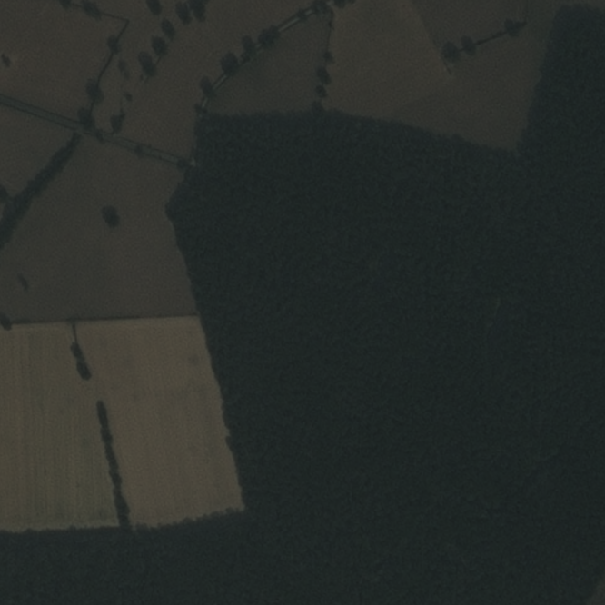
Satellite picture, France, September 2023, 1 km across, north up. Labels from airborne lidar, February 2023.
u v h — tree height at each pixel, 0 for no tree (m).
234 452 20
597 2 0
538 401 32
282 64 0
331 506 36
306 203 29
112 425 0
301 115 0
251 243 36
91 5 16
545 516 33
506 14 0
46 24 0
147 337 0
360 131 13
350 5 0
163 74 0
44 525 0
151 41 0
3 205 0
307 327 33
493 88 0
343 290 29
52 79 0
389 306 32
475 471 32
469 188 21
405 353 19
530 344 28
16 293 0
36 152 0
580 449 35
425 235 30
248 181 29
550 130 32
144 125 0
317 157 35
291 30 0
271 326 34
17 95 0
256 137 33
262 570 35
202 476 0
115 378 0
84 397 0
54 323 0
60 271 0
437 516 35
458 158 27
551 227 32
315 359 34
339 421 36
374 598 33
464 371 34
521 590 35
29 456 0
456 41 0
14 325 0
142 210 0
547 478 32
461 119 0
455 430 32
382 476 32
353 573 36
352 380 30
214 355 24
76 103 0
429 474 31
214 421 0
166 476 0
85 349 0
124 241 0
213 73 0
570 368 27
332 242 34
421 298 35
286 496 36
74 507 0
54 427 0
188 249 25
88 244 0
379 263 0
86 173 0
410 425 32
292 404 29
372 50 0
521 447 32
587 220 32
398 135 28
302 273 34
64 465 0
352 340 32
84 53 0
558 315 34
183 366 0
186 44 0
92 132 0
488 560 33
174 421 0
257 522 32
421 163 31
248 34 0
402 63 0
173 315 0
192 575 39
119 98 0
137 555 28
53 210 0
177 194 6
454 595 36
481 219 30
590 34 34
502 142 0
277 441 34
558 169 34
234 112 0
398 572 38
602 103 38
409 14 0
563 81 34
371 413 36
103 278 0
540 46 0
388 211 30
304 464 35
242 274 33
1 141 0
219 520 0
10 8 0
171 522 0
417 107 0
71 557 30
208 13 0
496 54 0
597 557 28
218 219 31
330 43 0
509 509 34
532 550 36
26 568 37
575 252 38
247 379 32
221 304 30
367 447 35
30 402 0
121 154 0
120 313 0
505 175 28
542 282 36
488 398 34
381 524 35
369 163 36
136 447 0
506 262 32
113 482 12
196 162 13
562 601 29
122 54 0
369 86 0
